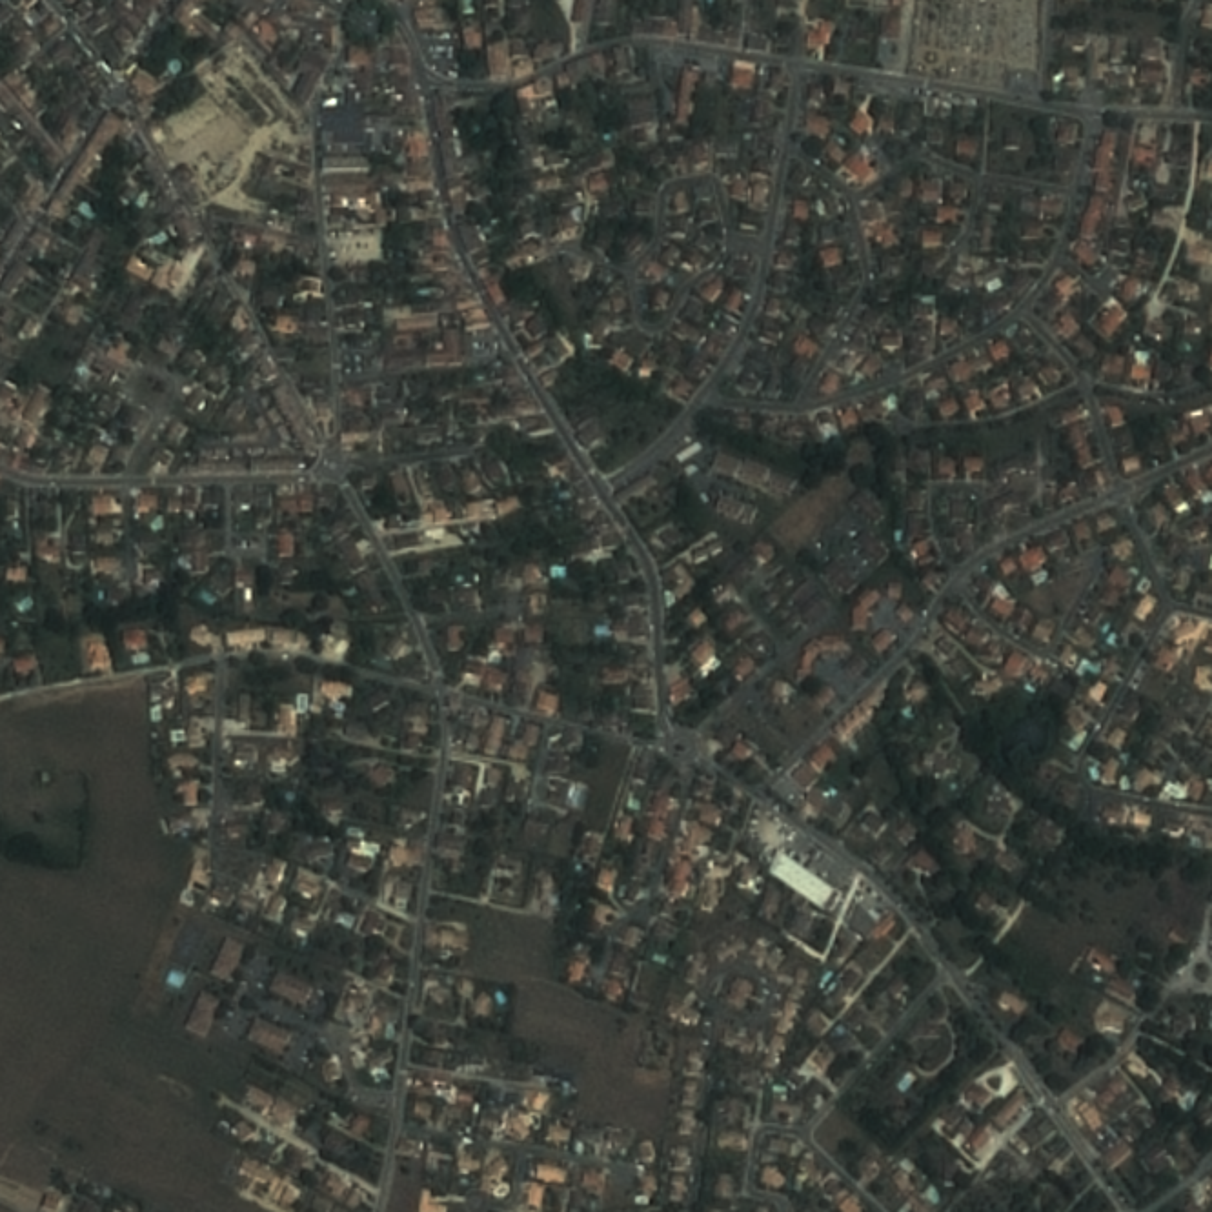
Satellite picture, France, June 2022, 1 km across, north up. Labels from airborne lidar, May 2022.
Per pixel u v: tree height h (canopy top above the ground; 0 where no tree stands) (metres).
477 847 9
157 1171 0
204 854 0
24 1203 0
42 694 0
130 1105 0
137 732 0
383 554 0
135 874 0
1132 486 0
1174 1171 6
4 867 0
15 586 10
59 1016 0
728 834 6
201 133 0
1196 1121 8
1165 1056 16
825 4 0
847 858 0
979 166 9
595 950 6
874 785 0
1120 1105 0
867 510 0
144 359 0
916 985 7
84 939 0
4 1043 0
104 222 7
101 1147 0
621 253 10
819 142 9
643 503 9
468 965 0
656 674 0
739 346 0
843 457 6
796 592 0
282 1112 0
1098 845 12
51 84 6
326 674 12
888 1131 7
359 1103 0
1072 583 0
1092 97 0
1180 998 0
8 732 0
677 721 7
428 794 0
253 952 8
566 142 8
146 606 10
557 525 9
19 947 0
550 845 0
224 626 11
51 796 0
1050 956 0
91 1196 6
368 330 7
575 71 0
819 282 10
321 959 0
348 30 11
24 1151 0
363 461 0
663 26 0
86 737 0
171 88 8
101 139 0
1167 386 7
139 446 0
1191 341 0
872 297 7
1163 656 0
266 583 11
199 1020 0
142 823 0
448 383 6
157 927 0
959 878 10
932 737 7
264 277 5
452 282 0
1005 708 6
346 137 0
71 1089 0
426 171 0
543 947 0
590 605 9
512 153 10
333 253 0
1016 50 0
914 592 0
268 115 0
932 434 6
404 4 0
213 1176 0
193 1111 0
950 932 0
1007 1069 0
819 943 7
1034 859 8
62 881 0
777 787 0
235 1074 0
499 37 8
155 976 0
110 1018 0
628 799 0
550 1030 0
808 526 0
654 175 9
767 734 0
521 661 0
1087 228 0
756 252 0
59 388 11
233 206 0
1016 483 0
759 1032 0
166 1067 0
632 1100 0
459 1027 7
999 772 18
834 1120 0
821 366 0
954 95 0
